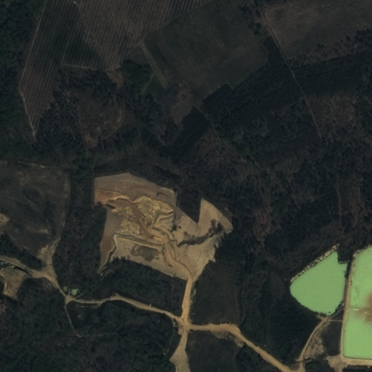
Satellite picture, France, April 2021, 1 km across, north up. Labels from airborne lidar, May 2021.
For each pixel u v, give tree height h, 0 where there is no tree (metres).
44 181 0
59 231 0
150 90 0
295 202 17
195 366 0
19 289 0
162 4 0
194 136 8
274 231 8
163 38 0
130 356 9
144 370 10
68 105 21
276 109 16
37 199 0
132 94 15
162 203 0
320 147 15
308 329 6
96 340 9
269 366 8
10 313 18
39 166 0
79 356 17
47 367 20
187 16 0
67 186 0
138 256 0
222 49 0
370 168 11
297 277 0
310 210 17
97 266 10
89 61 0
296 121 19
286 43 0
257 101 14
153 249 0
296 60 11
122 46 0
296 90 16
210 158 12
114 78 0
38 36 0
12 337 7
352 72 10
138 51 0
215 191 16
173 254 0
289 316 6
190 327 0
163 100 15
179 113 0
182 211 0
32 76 0
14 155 14
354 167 19
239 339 0
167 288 8
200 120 8
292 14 0
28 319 16
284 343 6
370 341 0
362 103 21
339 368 0
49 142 25
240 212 11
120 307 9
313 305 0
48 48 0
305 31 0
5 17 16
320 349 0
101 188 0
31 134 7
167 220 0
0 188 0
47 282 0
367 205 12
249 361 15
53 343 9
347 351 0
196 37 0
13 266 0
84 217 11
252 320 13
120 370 13
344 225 11
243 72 0
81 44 0
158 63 0
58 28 0
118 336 8
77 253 8
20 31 22
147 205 0
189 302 0
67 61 0
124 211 0
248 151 13
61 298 7
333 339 0
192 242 0
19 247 0
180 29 0
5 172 0
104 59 0
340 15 0
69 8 0
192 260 0
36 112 0
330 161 25
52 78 0
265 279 9
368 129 24
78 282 8
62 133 22
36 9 18
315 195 11
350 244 6
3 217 0
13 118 22
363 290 0
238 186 12
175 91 13
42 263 17
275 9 0
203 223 0
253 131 21
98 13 0
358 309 0
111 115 0
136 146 13
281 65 13
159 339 15
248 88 14
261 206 14
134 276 17
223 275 0
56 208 0
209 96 0
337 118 8
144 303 0
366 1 0
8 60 21
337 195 16
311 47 0
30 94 0
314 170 23
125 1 0
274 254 10
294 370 0
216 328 0
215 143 12
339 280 0
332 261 0
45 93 0
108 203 0
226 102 13
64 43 0
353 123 8
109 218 0
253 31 19
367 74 14
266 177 20
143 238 0
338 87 13
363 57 13
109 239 0
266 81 14
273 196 11
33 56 0
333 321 0
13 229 0
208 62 0
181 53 0
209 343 0
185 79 0
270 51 13
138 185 0
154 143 9
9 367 17
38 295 15
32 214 0
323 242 10
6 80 25
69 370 20
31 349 15
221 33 0
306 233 12
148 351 7
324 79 15
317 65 13
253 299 8
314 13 0
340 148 26
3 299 17
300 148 14
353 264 0
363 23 0
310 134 15
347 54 10
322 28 0
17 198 0
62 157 19
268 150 14
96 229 8
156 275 16
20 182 0
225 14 0
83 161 13
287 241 10
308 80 14
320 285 0
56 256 8
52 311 20
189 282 0
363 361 0
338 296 0
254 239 13
